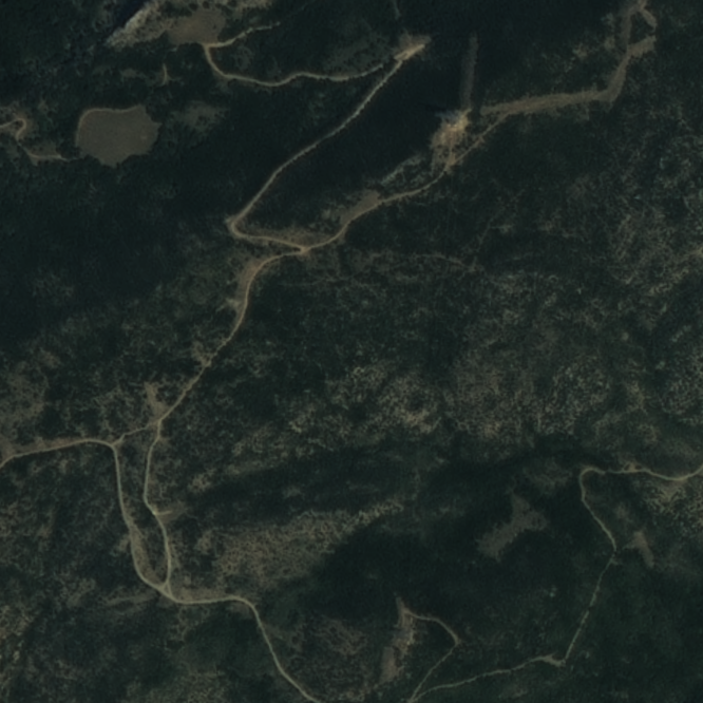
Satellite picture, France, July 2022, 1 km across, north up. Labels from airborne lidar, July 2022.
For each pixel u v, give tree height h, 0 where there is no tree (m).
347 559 7
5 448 0
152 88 7
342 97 6
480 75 5
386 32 7
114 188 6
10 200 8
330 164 7
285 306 6
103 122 0
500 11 6
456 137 0
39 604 6
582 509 8
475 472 6
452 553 7
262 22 6
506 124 6
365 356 7
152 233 6
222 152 6
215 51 6
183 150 7
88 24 10
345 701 6
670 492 0
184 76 6
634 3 0
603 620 6
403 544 6
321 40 8
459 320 7
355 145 7
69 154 8
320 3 6
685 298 6
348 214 0
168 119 7
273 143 7
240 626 6
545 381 7
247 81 0
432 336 6
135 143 0
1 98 8
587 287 6
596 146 6
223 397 6
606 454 6
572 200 6
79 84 8
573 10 6
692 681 10
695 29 6
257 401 6
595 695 9
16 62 8
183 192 7
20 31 8
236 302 0
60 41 8
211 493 6
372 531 6
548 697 9
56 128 7
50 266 7
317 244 0
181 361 6
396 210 6
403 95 6
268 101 7
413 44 0
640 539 0
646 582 7
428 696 7
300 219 5
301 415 0
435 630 6
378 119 5
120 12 6
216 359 7
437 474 6
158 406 0
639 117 6
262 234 0
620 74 0
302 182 6
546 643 7
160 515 0
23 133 0
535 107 0
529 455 8
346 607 6
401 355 5
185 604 0
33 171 6
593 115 6
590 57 6
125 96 9
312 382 6
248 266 0
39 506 7
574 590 6
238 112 7
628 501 6
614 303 6
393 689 7
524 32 5
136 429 0
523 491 6
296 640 5
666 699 7
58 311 6
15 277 6
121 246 6
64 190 9
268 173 7
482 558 7
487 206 5
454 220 5
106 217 6
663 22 6
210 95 6
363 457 6
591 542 6
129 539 0
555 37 6
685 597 9
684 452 0
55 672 0
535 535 6
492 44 6
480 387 0
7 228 7
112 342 6
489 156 6
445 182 6
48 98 8
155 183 6
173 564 0
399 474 6
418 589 7
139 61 8
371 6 8
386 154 6
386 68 8
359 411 6
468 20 6
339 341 6
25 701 6
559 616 6
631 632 6
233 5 7
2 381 5
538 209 6
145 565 0
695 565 7
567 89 5
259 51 8
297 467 6
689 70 5
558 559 7
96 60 6
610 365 5
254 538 0
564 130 7
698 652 7
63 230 7
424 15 7
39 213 7
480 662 7
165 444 0
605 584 7
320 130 7
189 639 6
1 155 9
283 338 6
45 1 10
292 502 5
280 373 6
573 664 7
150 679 6
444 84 6
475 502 6
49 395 6
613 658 6
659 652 7
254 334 6
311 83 8
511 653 8
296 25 6
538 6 6
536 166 6
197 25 0
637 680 7
